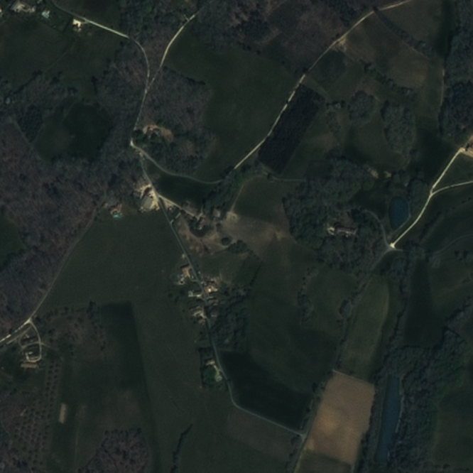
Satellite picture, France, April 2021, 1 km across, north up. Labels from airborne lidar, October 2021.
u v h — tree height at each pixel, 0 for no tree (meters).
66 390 0
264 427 0
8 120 23
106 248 0
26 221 15
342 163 27
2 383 0
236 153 0
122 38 0
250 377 0
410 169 0
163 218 0
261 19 25
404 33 10
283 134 17
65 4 0
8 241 0
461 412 0
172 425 0
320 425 0
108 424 0
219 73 0
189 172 13
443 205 0
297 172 0
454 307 0
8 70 0
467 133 15
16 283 20
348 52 0
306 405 0
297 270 0
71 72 0
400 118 26
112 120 9
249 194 0
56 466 0
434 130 0
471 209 0
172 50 0
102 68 0
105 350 12
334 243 22
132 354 0
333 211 20
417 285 0
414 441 15
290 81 0
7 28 0
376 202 0
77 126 0
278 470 0
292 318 0
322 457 0
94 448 0
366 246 8
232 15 21
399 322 10
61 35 0
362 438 0
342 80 0
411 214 9
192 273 11
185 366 0
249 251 9
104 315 0
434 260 25
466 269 0
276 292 0
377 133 0
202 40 23
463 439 0
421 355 8
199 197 0
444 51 0
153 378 0
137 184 22
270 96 0
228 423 0
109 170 15
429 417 18
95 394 0
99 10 0
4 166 13
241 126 0
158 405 0
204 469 0
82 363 0
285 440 0
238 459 0
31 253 15
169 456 0
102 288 0
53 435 0
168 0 18
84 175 21
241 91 0
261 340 0
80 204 18
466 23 20
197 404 0
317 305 0
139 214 6
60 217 14
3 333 9
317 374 0
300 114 16
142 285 0
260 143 0
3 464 13
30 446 9
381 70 0
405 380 11
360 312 0
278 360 0
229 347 13
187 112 15
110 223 0
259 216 0
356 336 0
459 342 19
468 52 19
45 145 0
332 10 28
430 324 0
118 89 14
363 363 0
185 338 0
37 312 0
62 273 0
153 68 17
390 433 0
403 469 17
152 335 0
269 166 16
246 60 0
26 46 0
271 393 0
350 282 0
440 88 0
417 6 0
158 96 15
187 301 0
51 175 11
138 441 12
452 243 0
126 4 6
